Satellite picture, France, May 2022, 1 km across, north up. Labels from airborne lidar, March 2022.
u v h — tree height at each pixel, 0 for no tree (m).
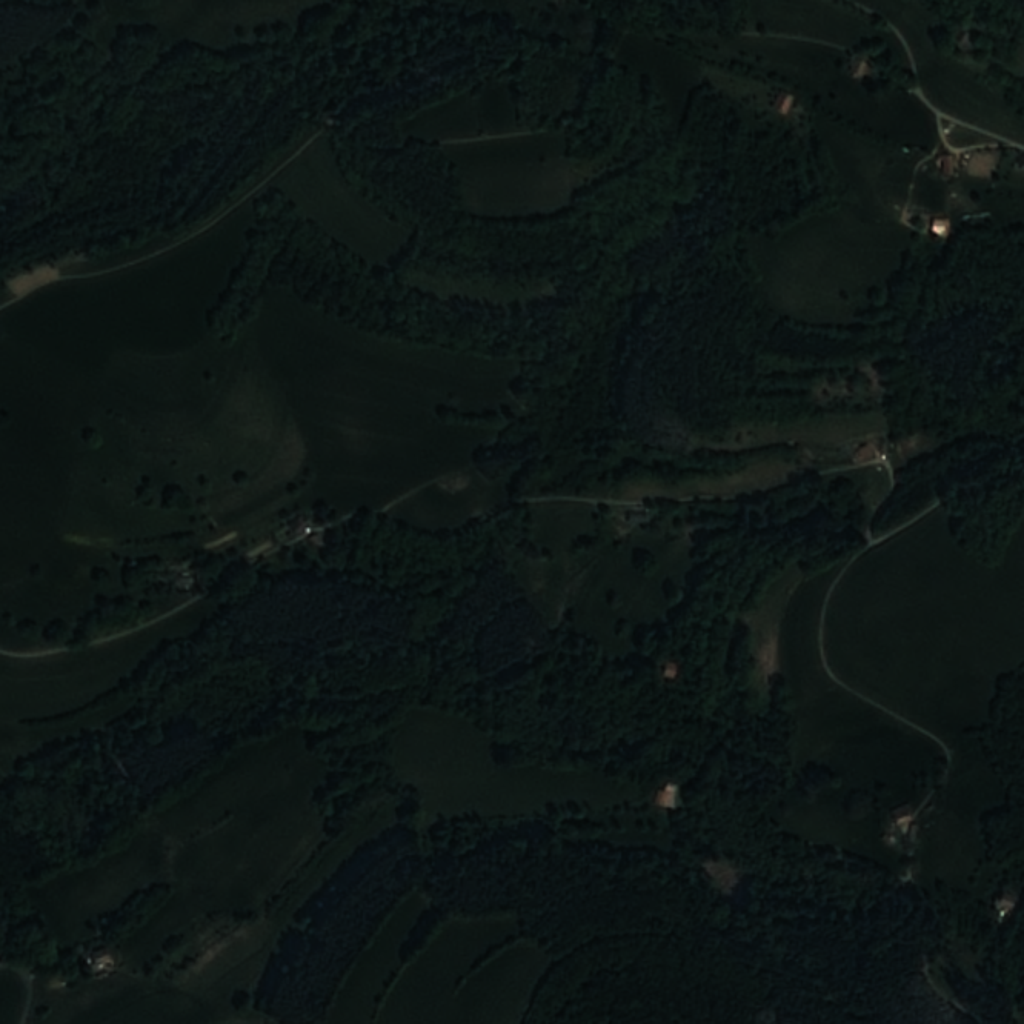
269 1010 21
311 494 0
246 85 26
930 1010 18
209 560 16
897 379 21
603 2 17
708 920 14
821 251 0
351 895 30
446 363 0
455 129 0
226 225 0
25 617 0
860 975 29
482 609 34
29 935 24
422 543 18
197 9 0
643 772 23
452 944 0
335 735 23
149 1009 0
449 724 0
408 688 21
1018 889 0
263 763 0
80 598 0
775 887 17
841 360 15
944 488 26
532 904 18
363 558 10
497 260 21
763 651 0
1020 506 14
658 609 0
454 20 22
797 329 13
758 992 13
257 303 13
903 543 0
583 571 0
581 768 6
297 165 0
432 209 12
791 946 19
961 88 0
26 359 0
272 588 32
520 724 21
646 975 15
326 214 0
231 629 23
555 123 7
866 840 0
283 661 29
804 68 0
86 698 0
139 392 0
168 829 0
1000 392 28
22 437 0
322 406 0
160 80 27
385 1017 0
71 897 0
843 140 0
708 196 29
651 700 21
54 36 15
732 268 10
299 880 0
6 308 0
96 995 0
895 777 0
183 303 0
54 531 0
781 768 18
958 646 0
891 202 0
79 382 0
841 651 0
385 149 9
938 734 0
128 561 9
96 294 0
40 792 16
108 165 8
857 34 0
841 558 12
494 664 33
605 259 26
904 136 0
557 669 7
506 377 0
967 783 0
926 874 0
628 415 24
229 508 0
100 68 19
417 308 25
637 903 18
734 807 24
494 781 0
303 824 0
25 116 30
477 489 0
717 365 9
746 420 14
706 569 18
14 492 0
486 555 18
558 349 23
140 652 0
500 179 0
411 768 0
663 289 25
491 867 24
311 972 32
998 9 14
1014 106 14
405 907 0
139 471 0
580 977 7
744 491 0
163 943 0
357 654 32
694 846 20
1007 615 0
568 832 7
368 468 0
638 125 16
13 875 14
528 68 12
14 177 28
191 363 0
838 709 0
